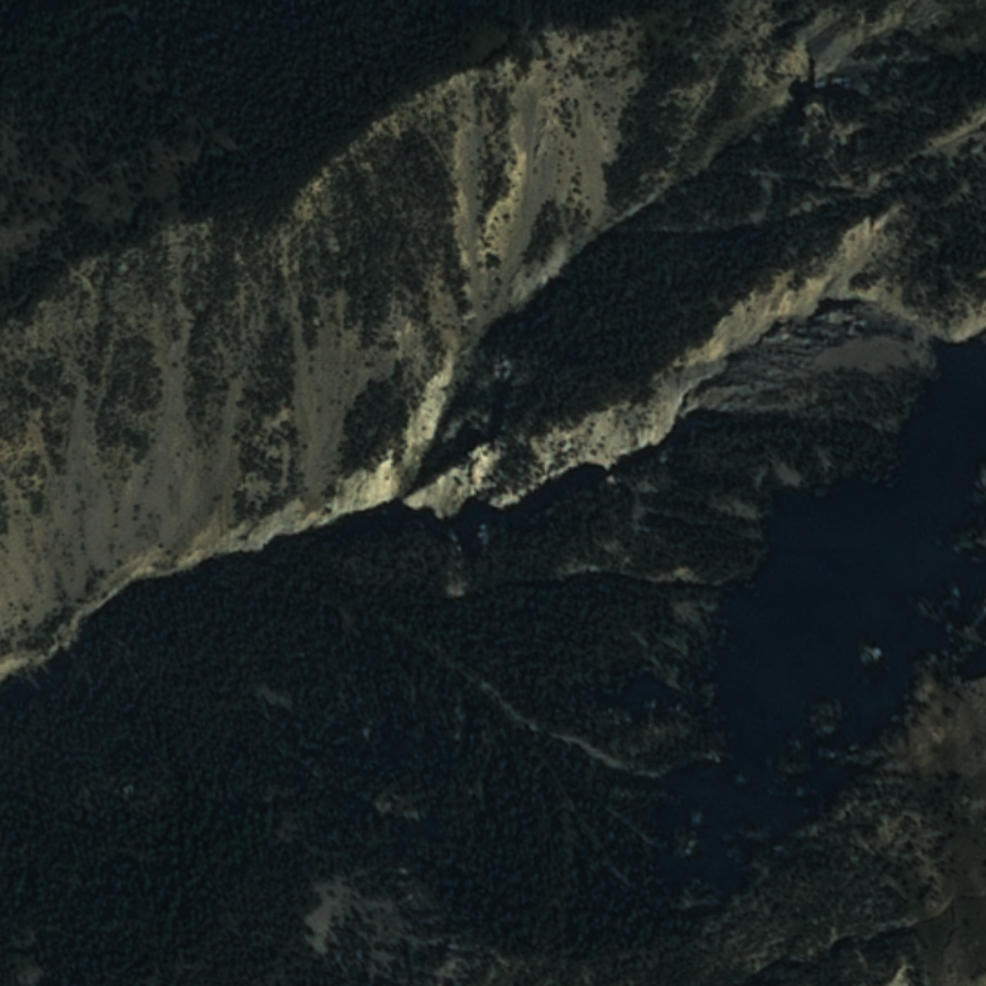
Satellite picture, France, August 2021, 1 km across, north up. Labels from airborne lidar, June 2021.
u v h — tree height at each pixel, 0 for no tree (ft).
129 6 39
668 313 27
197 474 0
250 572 31
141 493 0
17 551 0
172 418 0
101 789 37
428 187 38
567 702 28
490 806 25
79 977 29
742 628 32
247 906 31
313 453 0
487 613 30
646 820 22
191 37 49
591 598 24
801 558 0
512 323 31
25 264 22
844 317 0
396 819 26
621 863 35
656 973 24
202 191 50
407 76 38
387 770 42
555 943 38
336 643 35
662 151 27
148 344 30
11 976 26
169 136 41
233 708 40
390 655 36
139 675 21
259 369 25
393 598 31
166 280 23
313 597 32
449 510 0
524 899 56
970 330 0
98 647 21
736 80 20
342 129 51
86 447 0
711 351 0
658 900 35
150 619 29
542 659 33
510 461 18
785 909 28
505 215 20
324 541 23
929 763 0
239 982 23
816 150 20
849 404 23
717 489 35
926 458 31
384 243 26
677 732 29
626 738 31
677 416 0
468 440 39
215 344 20
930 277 30
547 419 35
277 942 38
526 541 26
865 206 22
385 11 51
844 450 35
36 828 22
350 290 30
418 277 27
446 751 24
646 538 21
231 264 20
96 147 45
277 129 45
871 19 23
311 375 0
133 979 36
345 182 30
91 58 44
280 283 28
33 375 26
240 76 40
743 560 25
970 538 20
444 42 58
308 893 20
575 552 22
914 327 0
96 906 30
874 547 0
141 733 39
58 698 31
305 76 60
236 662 31
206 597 34
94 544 0
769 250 36
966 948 0
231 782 31
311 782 41
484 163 22
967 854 0
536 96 0
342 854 54
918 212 36
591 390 30
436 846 41
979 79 29
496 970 25
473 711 28
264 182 44
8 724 43
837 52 0
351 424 40
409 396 27
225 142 0
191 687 39
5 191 19
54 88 21
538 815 46
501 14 28
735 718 26
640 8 29
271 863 40
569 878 50
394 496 0
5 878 35
